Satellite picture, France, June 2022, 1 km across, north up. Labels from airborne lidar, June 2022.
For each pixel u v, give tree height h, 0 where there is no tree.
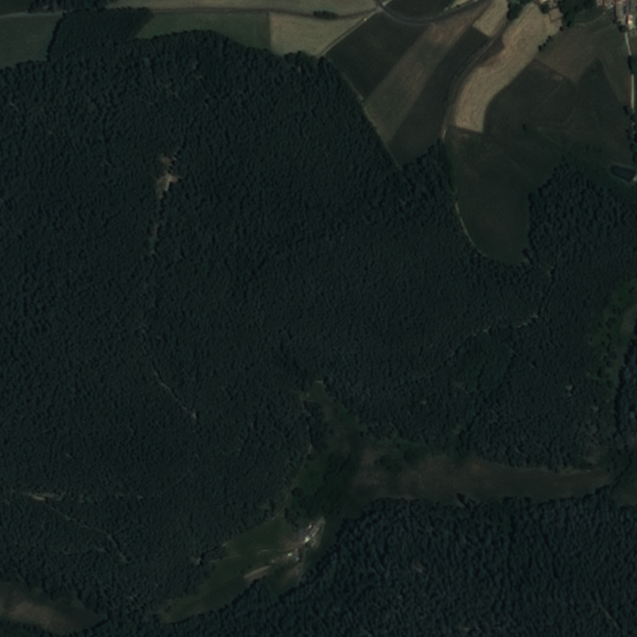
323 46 0
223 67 21
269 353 25
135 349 21
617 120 0
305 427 20
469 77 0
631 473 12
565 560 24
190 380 25
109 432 20
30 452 21
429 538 22
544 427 23
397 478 0
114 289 26
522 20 0
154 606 23
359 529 27
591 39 0
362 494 0
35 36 0
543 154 0
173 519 19
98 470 19
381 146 17
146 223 24
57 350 24
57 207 26
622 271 22
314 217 26
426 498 11
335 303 21
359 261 21
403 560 26
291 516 16
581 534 25
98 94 25
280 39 0
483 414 20
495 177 0
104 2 26
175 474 19
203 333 23
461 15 0
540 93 0
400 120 0
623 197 17
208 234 25
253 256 26
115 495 11
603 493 27
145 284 23
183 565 21
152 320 22
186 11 0
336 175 17
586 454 21
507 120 0
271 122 19
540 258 27
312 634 19
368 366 21
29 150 23
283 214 22
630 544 29
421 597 28
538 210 21
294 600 23
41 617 0
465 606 29
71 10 16
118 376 22
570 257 23
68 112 8
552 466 23
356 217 27
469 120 0
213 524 24
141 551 21
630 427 21
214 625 30
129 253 23
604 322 9
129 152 21
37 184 26
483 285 23
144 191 21
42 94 17
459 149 0
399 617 24
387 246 22
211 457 22
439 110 0
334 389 25
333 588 7
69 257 21
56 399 25
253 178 20
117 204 25
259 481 23
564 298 20
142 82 19
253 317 23
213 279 20
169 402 19
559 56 0
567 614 22
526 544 26
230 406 22
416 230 25
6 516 24
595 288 28
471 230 0
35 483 21
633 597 28
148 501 21
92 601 21
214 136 28
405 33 0
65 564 22
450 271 21
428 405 11
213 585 0
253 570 0
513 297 22
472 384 20
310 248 26
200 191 28
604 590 25
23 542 22
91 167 20
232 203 21
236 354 24
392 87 0
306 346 23
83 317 27
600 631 25
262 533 0
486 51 0
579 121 0
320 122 18
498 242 0
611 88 0
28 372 23
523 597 27
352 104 19
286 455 23
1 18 0
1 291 28
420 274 22
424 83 0
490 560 25
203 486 17
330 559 16
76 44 17
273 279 31
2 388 29
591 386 30
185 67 22
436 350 18
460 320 20
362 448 0
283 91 28
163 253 18
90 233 20
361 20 0
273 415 23
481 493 0
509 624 25
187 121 17
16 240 18
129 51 20
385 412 21
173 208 24
